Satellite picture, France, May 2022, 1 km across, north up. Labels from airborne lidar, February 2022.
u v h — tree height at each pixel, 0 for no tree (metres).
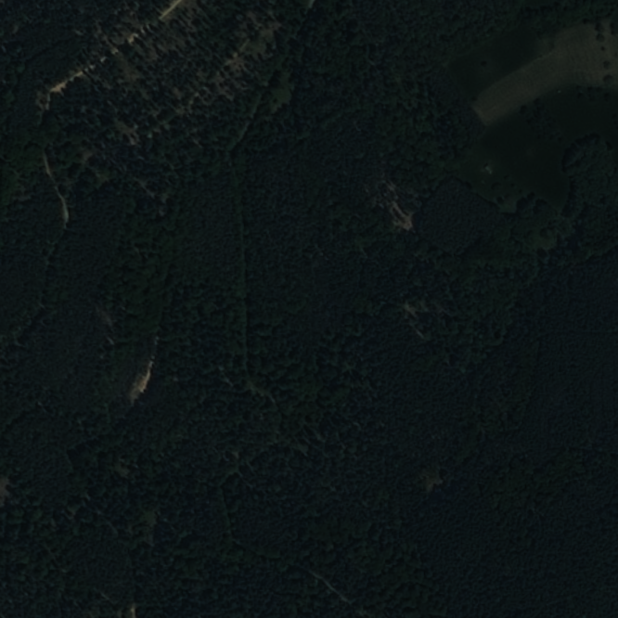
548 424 27
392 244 19
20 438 26
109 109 34
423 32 30
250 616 28
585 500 27
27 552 33
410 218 0
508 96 0
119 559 22
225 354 15
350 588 29
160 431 27
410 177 35
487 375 34
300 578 34
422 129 0
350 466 31
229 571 24
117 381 14
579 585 33
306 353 24
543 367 30
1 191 22
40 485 25
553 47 0
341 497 26
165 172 22
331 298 28
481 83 0
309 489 32
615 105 0
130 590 19
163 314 24
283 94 0
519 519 29
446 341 30
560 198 0
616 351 23
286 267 27
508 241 23
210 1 8
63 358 21
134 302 22
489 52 0
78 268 25
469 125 26
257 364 22
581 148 21
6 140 21
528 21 17
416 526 29
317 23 36
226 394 32
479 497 33
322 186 22
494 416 26
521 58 0
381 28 31
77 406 21
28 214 14
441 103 24
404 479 31
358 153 24
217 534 22
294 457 29
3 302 17
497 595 30
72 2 22
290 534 24
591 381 25
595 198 27
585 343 29
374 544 31
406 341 37
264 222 26
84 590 22
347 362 35
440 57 23
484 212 25
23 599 29
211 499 28
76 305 23
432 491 0
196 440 27
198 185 25
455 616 31
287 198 26
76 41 14
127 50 26
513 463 25
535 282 16
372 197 22
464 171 0
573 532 35
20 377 22
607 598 34
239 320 19
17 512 29
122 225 16
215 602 28
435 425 32
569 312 28
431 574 31
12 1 8
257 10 26
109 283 28
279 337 29
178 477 29
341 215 24
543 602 32
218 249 26
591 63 0
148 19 20
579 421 26
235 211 20
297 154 20
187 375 28
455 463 24
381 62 34
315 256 25
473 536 33
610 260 29
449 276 34
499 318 29
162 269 23
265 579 26
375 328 36
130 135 0
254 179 26
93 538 24
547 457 21
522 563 33
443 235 27
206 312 19
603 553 33
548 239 26
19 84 20
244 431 30
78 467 33
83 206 21
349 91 19
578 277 31
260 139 19
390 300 27
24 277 23
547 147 0
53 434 22
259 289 23
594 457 27
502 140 0
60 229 10
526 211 21
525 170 0
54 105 14
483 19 31
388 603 34
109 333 28
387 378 32
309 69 20
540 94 0
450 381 36
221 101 25
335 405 28
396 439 33
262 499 27
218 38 10
